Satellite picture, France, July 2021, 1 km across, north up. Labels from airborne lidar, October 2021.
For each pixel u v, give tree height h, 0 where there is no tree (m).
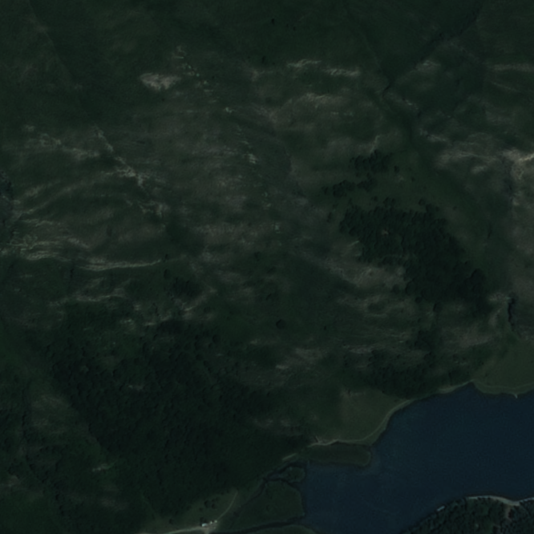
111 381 14
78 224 0
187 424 19
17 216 0
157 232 0
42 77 0
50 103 0
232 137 0
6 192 0
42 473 7
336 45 0
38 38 0
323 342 0
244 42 0
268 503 0
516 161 0
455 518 21
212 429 14
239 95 0
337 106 0
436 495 0
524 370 0
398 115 0
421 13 0
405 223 20
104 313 6
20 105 0
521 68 0
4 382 9
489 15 0
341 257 0
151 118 0
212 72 0
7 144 0
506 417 0
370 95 0
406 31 0
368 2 0
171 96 0
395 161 0
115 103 0
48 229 0
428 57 0
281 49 0
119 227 0
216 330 7
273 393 9
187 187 0
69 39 0
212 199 0
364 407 0
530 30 0
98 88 0
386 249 21
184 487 10
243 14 0
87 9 0
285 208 0
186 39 0
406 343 7
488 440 0
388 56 0
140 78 0
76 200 0
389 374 13
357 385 0
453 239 13
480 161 0
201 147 0
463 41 0
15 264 0
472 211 0
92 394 24
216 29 0
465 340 0
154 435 15
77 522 15
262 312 0
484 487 0
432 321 7
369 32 0
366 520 0
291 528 0
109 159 0
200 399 14
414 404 0
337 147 0
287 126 0
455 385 9
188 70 0
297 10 0
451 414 0
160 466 20
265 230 0
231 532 0
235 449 8
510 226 0
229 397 17
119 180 0
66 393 20
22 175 0
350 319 0
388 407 0
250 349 6
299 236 0
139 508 9
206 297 0
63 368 18
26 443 8
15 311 0
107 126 0
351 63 0
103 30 0
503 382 0
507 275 0
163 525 0
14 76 0
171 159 0
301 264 0
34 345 9
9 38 0
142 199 0
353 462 0
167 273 12
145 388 12
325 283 0
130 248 0
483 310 23
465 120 0
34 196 0
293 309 0
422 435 0
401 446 0
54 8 0
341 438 0
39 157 0
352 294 0
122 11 0
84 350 14
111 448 16
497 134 0
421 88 0
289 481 5
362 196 0
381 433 0
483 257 0
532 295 0
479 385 0
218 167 0
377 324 0
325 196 6
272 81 0
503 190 0
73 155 0
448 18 0
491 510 16
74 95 0
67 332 8
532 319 0
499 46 0
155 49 0
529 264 0
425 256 21
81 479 9
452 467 0
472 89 0
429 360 15
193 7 0
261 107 0
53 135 0
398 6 0
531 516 22
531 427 0
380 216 17
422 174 0
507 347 0
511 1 0
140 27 0
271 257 0
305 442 7
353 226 20
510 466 0
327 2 0
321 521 0
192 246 0
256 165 0
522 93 0
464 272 16
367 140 0
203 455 9
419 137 0
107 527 6
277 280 0
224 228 0
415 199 0
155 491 9
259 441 6
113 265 0
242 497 0
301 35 0
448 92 0
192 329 7
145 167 0
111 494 7
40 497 8
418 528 18
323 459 0
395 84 0
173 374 19
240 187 0
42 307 0
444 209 0
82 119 0
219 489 9
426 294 19
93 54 0
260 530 0
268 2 0
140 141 0
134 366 8
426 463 0
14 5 0
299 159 0
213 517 0
